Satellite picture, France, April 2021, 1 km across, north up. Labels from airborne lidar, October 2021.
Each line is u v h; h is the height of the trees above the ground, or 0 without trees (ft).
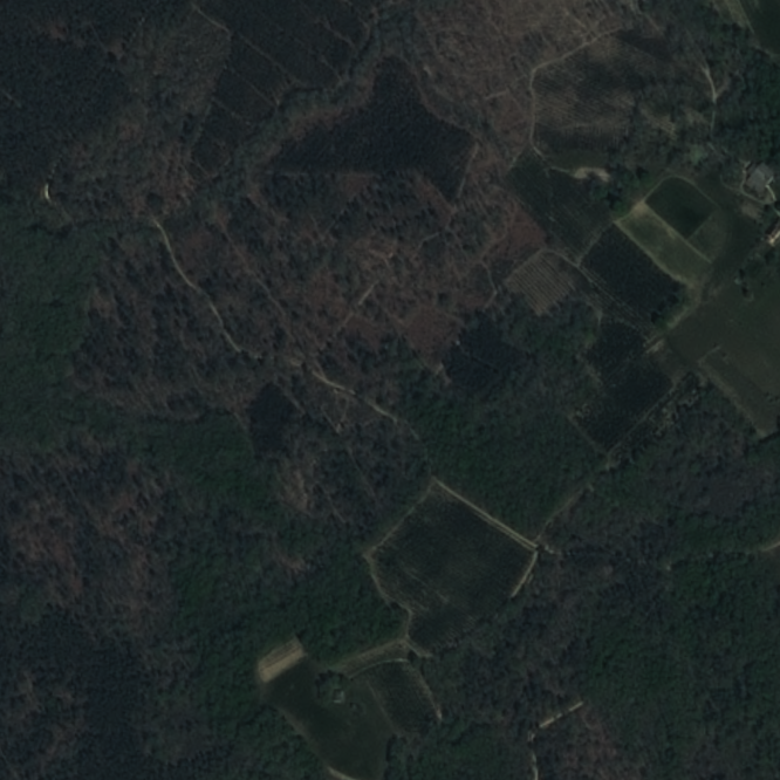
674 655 75
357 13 48
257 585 45
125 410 30
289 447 22
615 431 18
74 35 71
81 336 59
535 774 28
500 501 54
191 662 49
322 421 35
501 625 56
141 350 58
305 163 30
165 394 52
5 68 84
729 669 74
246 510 75
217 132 42
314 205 64
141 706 52
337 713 0
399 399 32
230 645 57
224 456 87
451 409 46
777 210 23
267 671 0
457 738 73
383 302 39
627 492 63
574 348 52
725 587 66
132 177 30
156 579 55
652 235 0
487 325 50
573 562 65
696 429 60
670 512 64
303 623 57
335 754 0
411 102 30
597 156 0
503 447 59
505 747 44
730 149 49
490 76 0
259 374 62
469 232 45
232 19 29
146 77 43
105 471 32
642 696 69
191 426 47
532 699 69
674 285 22
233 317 31
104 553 47
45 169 64
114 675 54
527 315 58
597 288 21
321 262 42
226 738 31
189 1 63
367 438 34
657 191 0
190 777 46
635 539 27
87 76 86
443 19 31
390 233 31
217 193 70
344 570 71
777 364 0
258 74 45
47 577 33
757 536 69
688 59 73
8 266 63
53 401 80
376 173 26
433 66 43
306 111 52
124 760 48
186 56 32
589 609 59
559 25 0
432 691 43
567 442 53
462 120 55
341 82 31
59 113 70
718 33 73
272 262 76
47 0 76
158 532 35
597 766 38
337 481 47
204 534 63
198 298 42
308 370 35
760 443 26
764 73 70
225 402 48
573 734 44
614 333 18
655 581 63
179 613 34
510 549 18
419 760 67
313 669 0
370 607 68
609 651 66
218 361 24
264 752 49
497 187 36
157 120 58
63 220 69
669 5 64
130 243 75
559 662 54
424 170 32
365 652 55
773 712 66
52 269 85
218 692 52
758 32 0
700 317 0
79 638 49
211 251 21
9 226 67
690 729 66
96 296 51
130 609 31
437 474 48
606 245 19
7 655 52
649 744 72
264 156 53
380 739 0
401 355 36
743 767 36
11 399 69
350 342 37
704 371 0
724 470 48
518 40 0
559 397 47
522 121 0
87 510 43
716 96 0
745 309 0
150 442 55
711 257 0
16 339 52
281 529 73
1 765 54
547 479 59
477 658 67
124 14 72
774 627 72
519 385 54
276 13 47
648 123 45
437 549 18
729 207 0
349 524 27
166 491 57
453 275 0
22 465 42
